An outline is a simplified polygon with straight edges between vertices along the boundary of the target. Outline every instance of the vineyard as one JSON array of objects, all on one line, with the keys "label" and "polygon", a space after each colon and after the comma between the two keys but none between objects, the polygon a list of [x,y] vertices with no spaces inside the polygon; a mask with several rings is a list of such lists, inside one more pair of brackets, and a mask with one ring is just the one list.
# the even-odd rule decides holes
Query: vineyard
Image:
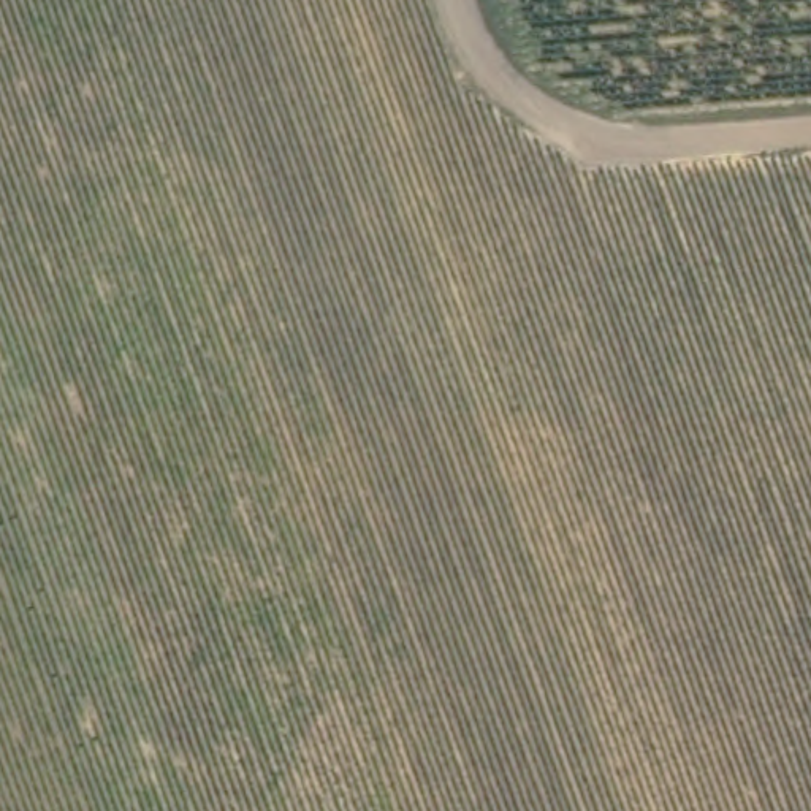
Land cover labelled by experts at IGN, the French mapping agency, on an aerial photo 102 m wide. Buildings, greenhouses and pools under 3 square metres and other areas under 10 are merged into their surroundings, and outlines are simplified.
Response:
[{"label": "vineyard", "polygon": [[589,79],[592,92],[605,95],[608,101],[618,101],[621,111],[681,108],[691,101],[811,95],[811,0],[520,0],[523,19],[532,29],[551,29],[551,38],[542,41],[542,63],[567,63],[564,79]]},{"label": "vineyard", "polygon": [[459,57],[440,32],[434,0],[0,0],[0,811],[811,811],[811,149],[722,152],[713,158],[700,158],[697,171],[643,168],[586,174],[570,158],[564,158],[558,146],[526,139],[526,120],[516,111],[497,105],[488,95],[488,89],[475,82],[475,76],[466,73],[466,67],[459,63]]}]

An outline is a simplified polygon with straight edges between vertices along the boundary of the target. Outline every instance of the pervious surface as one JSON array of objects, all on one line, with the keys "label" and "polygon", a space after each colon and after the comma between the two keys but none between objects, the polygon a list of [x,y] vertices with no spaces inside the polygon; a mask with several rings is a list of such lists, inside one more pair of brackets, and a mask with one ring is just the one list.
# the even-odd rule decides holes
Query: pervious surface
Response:
[{"label": "pervious surface", "polygon": [[488,95],[497,105],[516,111],[526,120],[526,139],[558,146],[564,158],[570,158],[586,174],[643,168],[697,171],[700,158],[713,158],[722,152],[811,149],[811,117],[643,127],[583,114],[542,95],[535,86],[529,86],[523,76],[510,70],[510,63],[504,60],[504,54],[497,51],[482,22],[475,0],[434,0],[440,32],[459,57],[459,63],[466,67],[466,73],[475,76],[475,82],[488,89]]}]

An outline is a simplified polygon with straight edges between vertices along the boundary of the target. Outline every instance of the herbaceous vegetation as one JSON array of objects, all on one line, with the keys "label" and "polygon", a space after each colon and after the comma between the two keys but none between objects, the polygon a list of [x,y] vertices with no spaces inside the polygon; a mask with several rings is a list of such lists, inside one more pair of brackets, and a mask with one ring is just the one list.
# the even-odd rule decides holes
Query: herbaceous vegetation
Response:
[{"label": "herbaceous vegetation", "polygon": [[618,101],[608,101],[605,95],[592,92],[589,79],[564,79],[567,63],[542,63],[542,41],[551,38],[551,29],[532,29],[523,19],[520,0],[475,0],[482,22],[497,51],[504,54],[504,60],[510,63],[510,70],[523,76],[529,86],[535,86],[542,95],[583,114],[643,127],[811,117],[811,95],[691,101],[681,108],[621,111]]}]

